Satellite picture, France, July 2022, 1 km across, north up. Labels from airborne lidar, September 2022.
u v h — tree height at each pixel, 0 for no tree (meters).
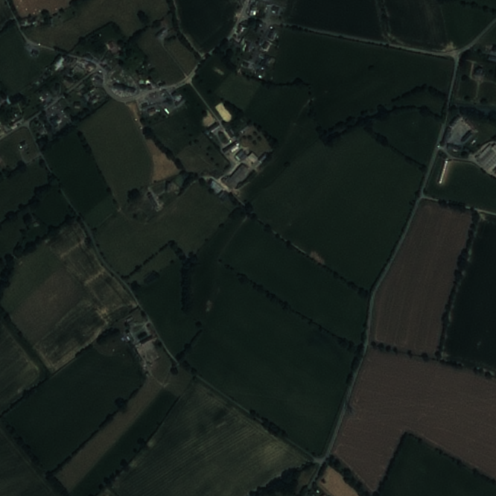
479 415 0
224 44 15
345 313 0
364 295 13
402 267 0
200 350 0
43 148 7
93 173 0
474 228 13
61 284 0
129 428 0
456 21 0
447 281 0
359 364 10
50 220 0
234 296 0
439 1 16
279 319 0
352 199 0
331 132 10
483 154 0
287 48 0
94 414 0
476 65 0
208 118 0
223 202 0
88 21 0
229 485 0
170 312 0
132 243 0
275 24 0
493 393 0
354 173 0
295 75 0
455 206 12
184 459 0
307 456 0
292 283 0
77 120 16
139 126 0
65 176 0
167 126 0
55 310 0
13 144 0
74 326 0
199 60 7
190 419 0
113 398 0
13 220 13
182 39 14
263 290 12
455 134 0
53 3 0
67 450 0
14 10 15
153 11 0
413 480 0
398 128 0
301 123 0
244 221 0
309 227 0
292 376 0
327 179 0
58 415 0
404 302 0
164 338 0
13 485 0
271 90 13
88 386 0
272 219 0
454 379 0
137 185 0
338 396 0
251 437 0
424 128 0
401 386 0
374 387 0
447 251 0
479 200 0
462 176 0
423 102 0
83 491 0
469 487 0
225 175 0
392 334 0
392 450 0
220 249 0
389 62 0
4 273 14
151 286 0
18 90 0
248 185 0
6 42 0
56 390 0
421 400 0
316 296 0
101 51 5
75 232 0
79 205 0
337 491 0
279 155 0
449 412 0
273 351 0
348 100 0
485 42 0
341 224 0
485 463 0
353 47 0
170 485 0
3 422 8
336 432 0
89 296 0
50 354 0
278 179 0
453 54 0
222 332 0
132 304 0
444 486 0
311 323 12
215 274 0
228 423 0
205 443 0
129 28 0
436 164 0
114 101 0
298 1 0
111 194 6
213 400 0
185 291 12
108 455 0
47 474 7
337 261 0
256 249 0
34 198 8
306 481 0
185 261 15
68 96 17
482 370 10
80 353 8
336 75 0
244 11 0
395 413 0
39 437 0
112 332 15
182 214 0
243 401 0
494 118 14
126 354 0
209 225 0
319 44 0
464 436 0
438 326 0
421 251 0
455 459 10
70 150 0
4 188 0
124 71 0
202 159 0
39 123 8
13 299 0
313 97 7
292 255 0
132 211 0
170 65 0
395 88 0
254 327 0
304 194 0
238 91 0
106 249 0
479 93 0
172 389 0
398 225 0
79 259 0
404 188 0
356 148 0
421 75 0
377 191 0
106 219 0
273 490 16
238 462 0
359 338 0
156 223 0
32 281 0
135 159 0
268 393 0
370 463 0
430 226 0
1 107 7
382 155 0
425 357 15
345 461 0
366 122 16
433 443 0
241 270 0
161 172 0
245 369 0
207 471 0
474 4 10
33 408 0
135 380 0
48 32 0
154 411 0
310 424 0
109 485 18
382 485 13
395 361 0
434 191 0
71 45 0
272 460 0
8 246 0
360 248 0
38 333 0
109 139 0
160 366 0
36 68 0
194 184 0
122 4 0
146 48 0
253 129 0
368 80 0
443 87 0
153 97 0
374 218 0
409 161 12
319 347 0
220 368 0
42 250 0
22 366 0
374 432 0
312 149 0
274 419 0
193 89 0
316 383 0
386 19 14
